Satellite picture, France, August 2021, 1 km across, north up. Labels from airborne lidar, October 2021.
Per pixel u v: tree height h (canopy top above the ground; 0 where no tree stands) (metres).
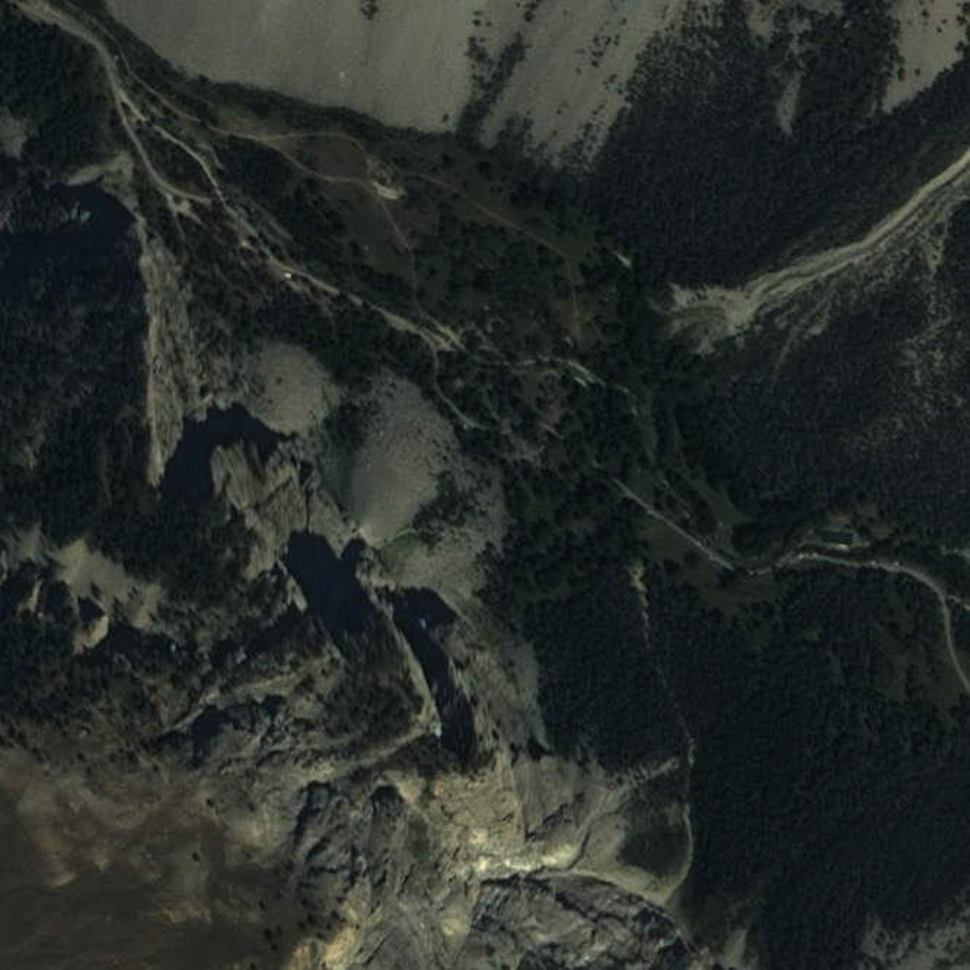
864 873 12
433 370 13
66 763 0
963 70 7
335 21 0
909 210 0
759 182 11
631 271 7
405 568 0
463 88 0
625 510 12
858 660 14
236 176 7
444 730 0
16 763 0
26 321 8
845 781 13
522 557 20
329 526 0
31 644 10
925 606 16
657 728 11
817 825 10
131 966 0
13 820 0
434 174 6
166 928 0
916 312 6
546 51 0
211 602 6
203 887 0
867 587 17
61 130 12
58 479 10
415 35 0
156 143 8
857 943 6
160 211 9
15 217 7
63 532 6
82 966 0
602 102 0
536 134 0
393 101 0
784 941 13
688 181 11
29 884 0
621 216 10
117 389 8
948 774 9
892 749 17
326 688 0
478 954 0
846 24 10
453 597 0
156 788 0
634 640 11
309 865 0
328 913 0
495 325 7
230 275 9
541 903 0
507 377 17
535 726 0
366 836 0
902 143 6
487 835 0
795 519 28
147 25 0
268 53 0
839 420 9
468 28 0
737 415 11
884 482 11
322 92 0
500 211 0
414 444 0
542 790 0
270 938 10
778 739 14
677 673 10
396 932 0
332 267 13
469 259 7
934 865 10
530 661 0
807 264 0
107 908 0
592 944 0
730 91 7
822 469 12
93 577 0
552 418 0
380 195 0
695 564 12
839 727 11
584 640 10
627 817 0
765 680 14
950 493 8
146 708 12
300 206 14
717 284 11
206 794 0
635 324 13
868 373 8
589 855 0
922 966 0
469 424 0
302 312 8
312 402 0
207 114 9
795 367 7
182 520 10
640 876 0
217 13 0
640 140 8
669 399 10
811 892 14
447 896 0
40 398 8
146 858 0
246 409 0
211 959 0
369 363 8
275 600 5
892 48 7
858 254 0
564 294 7
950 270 6
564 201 13
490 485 7
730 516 0
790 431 12
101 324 7
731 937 0
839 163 9
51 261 12
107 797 0
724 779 10
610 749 10
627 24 0
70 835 0
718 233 12
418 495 0
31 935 0
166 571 10
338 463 0
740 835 11
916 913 6
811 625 13
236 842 0
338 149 0
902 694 0
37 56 11
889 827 12
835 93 12
